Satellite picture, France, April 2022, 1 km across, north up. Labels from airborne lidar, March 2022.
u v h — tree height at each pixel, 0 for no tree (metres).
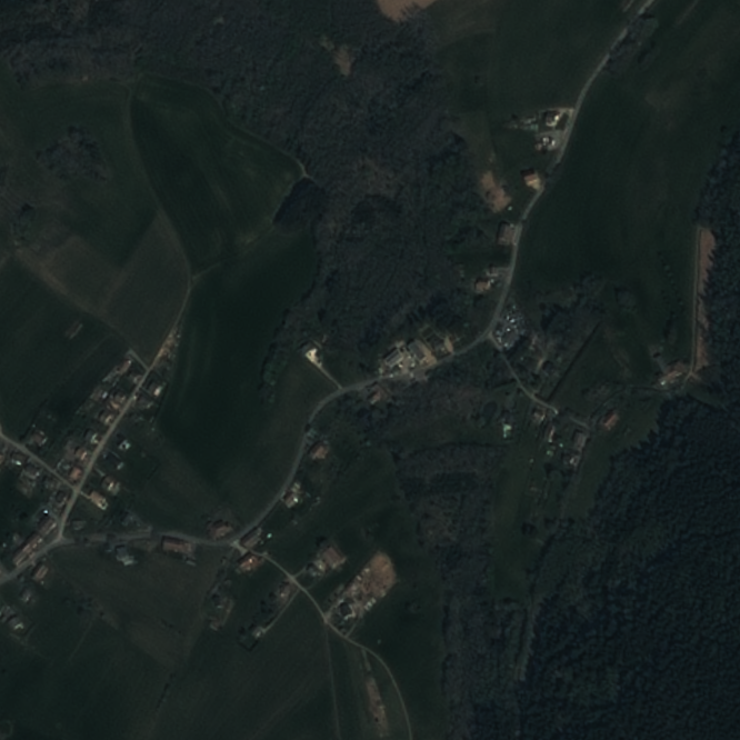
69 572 0
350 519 0
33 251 0
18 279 0
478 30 0
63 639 0
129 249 0
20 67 18
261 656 0
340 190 11
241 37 14
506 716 30
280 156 0
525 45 0
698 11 0
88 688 0
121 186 0
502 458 7
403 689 0
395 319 26
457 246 12
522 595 0
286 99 7
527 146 0
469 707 19
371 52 15
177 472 0
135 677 0
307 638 0
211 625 6
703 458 29
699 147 0
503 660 16
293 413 0
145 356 0
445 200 16
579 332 18
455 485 6
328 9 12
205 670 0
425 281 12
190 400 0
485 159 0
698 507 25
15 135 0
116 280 0
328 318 21
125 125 0
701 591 26
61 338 0
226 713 0
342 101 14
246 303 0
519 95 0
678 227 0
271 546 0
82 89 0
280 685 0
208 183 0
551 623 25
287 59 13
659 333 0
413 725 0
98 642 0
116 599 0
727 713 24
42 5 11
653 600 31
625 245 0
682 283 0
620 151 0
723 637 25
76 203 0
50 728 0
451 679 22
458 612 23
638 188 0
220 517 0
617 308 0
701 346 0
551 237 0
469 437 0
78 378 0
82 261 0
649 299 0
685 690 27
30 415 0
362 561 0
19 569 0
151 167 0
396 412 16
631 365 0
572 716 23
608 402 0
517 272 0
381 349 31
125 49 6
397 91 17
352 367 8
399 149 14
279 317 0
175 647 0
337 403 0
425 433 0
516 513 0
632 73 0
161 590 0
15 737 0
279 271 0
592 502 0
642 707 28
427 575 0
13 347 0
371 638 0
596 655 30
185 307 0
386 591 0
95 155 18
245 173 0
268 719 0
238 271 0
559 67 0
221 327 0
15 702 0
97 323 0
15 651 0
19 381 0
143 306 0
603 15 0
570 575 14
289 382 0
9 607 0
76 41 18
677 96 0
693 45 0
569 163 0
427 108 11
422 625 0
